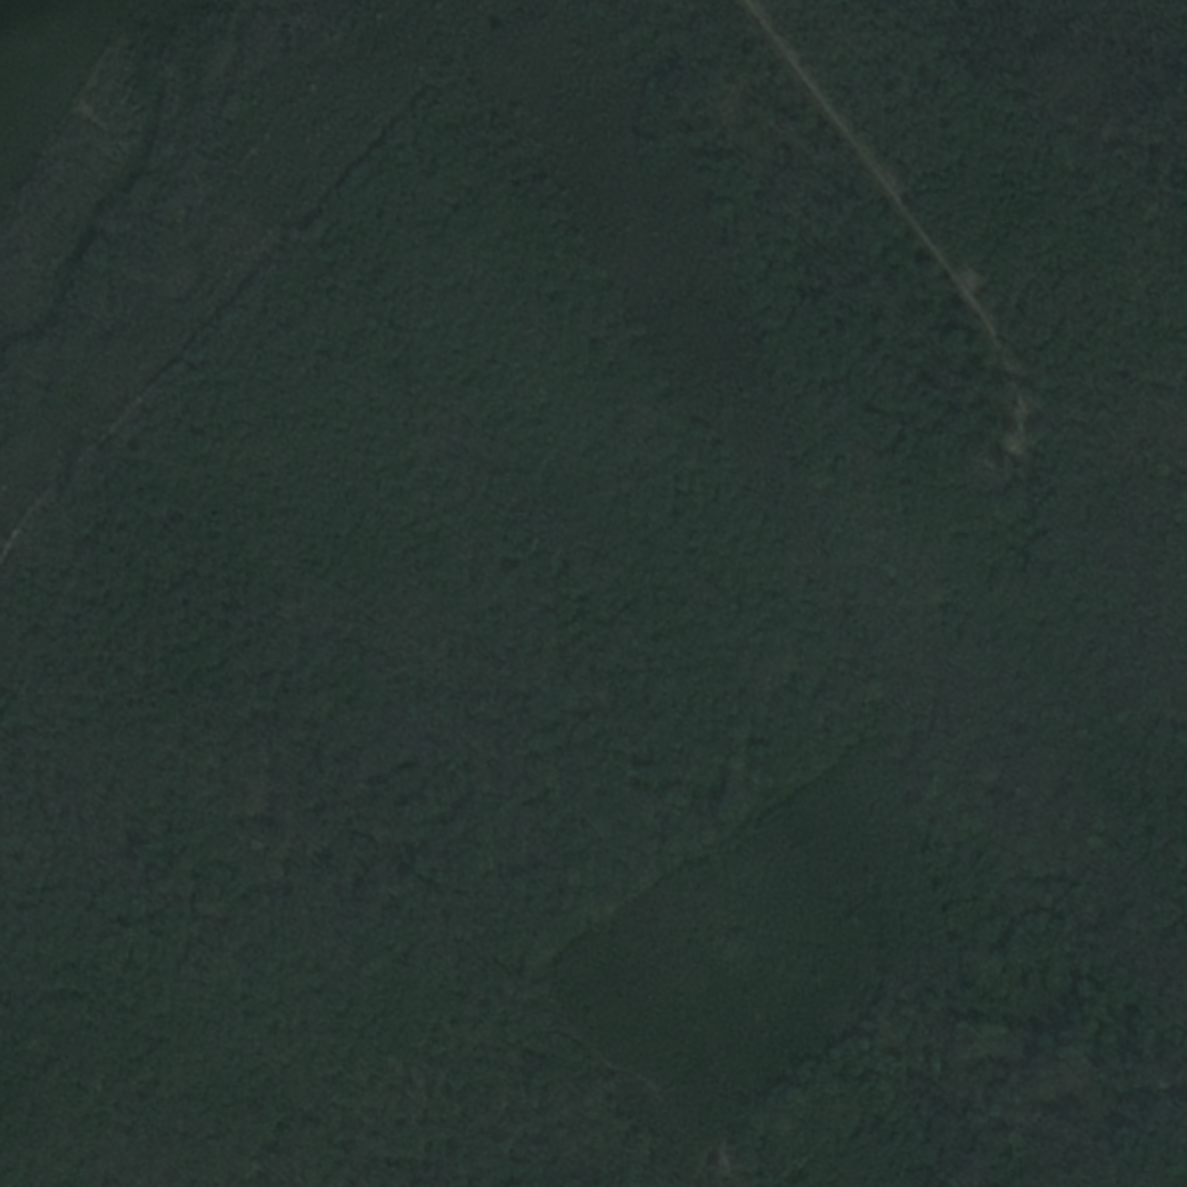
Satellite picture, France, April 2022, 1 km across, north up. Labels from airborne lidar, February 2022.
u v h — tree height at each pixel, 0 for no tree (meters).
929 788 31
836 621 24
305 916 30
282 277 22
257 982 23
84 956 24
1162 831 26
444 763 31
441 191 27
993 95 26
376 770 29
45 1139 24
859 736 24
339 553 22
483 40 8
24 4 0
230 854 27
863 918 6
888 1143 25
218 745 28
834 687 27
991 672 34
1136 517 31
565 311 25
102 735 26
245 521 25
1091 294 25
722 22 21
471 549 27
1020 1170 22
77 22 0
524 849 30
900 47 24
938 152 25
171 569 26
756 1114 26
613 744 26
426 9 14
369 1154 29
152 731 23
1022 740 28
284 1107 26
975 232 25
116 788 25
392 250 23
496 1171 25
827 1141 25
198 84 6
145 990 21
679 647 26
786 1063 5
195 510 27
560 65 13
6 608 23
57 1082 29
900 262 29
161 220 22
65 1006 24
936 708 32
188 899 29
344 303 25
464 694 30
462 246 23
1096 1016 29
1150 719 30
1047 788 30
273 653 25
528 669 26
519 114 16
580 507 25
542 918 27
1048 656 25
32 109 0
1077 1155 32
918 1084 24
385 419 22
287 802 33
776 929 6
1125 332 24
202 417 22
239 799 32
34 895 24
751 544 23
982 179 27
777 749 24
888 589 31
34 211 17
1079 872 32
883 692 30
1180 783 27
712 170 10
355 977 23
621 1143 27
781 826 7
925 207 29
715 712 26
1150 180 26
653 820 31
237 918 26
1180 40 29
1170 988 32
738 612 20
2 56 0
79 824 30
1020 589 28
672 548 24
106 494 23
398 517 24
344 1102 28
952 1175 21
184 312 13
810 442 23
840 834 6
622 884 29
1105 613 27
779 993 6
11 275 24
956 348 30
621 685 26
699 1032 12
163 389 19
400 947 22
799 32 25
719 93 27
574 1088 29
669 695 25
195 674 23
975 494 28
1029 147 27
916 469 25
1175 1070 34
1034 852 35
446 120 22
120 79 5
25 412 17
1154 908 30
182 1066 22
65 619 27
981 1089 23
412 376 26
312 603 30
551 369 25
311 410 26
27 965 29
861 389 25
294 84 14
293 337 24
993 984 25
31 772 30
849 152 29
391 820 29
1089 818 32
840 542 26
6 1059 23
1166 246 26
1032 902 31
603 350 18
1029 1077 23
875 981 8
